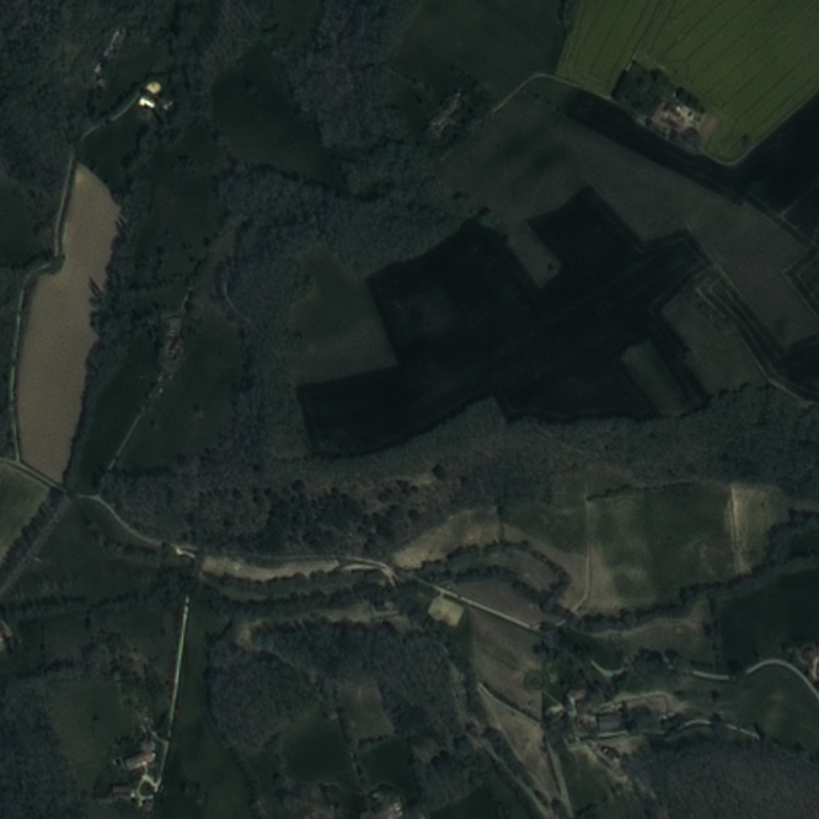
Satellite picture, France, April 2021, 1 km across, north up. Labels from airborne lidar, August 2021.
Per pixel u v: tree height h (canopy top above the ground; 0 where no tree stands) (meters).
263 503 11
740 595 8
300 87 14
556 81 0
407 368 0
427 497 8
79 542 0
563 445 19
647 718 18
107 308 16
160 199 0
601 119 0
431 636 12
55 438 0
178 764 0
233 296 9
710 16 0
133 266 16
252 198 16
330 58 12
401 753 0
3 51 13
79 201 0
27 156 18
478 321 0
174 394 0
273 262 15
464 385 0
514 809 0
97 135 0
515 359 0
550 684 0
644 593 0
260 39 26
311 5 0
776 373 0
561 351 0
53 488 0
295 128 0
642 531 0
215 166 0
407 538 17
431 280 0
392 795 10
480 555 16
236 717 22
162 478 19
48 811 8
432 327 0
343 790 0
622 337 0
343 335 0
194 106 13
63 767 26
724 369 0
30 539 19
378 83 20
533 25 0
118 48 12
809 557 15
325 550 17
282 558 14
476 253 0
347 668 23
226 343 0
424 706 25
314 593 0
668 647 0
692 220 0
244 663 21
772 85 0
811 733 0
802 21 0
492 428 16
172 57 12
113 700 0
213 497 8
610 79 0
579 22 0
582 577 0
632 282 0
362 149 7
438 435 17
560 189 0
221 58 41
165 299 0
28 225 0
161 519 18
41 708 22
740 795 13
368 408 0
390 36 18
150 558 23
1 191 0
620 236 0
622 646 0
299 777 0
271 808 0
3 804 17
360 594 19
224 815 0
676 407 0
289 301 17
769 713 0
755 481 25
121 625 0
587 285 0
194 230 0
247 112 0
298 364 0
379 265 13
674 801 17
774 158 0
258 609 18
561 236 0
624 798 0
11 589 22
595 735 17
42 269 13
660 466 21
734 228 0
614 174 0
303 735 0
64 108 20
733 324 9
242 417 12
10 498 0
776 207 0
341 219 15
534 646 0
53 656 0
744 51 0
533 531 0
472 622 0
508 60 0
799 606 0
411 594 17
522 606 0
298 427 10
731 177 0
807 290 0
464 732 18
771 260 0
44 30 12
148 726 0
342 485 11
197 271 6
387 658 21
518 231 0
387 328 0
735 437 24
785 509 0
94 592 0
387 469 18
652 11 0
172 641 0
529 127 0
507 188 0
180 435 0
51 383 0
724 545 0
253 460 10
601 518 0
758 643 0
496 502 21
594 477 0
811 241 0
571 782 0
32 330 0
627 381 0
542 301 0
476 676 9
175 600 18
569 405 0
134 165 18
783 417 28
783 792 17
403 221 17
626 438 22
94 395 14
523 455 21
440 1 0
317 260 0
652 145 0
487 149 0
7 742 18
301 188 23
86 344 0
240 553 20
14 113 22
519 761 13
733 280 0
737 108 0
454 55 0
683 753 16
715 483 20
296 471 16
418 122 0
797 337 0
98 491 16
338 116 19
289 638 26
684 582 0
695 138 17
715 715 0
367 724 0
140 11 20
